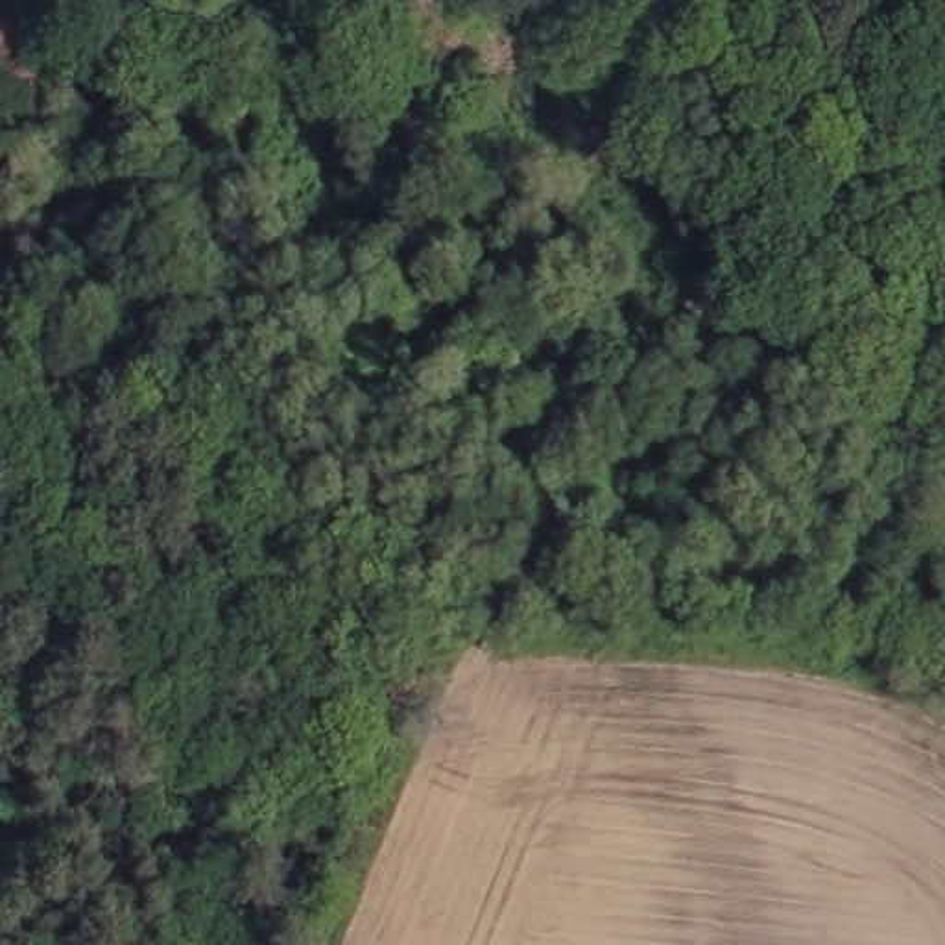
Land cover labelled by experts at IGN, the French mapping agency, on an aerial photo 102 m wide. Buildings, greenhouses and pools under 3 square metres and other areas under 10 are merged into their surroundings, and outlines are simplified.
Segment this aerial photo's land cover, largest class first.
<instances>
[{"label":"deciduous trees","instance_id":"1","mask_svg":"<svg viewBox=\"0 0 945 945\"><path fill-rule=\"evenodd\" d=\"M421 0H325V7L317 11L321 44L299 59H277V33L269 30V22H262L251 0H151V7H144L133 18L118 48V70L103 85V92L118 107L122 126L129 129L118 140L126 207L107 214L103 225L74 251L55 255L48 262H26L22 273L33 295L0 306V594H44L48 616L59 620H114L126 664L137 672L140 720H151L159 735L151 742L155 753H162L166 764L188 768L199 786L218 783L229 797L225 816L233 831L244 827L258 842L281 845L303 842L306 831L321 823L340 831L343 819L354 823L388 794L399 801L421 746L391 731L388 698L413 672L450 676L465 650H487L498 661L594 657L661 664L646 650L650 635L661 624L690 631H746L764 639L790 635L819 646L831 657H856V664L864 668L856 683L897 705H927L934 698L945 701V0H687L676 22L650 41L639 74L631 78L616 107L609 144L591 155L598 170L587 181V192L576 196L568 207L550 203V229H520L509 247H495L498 221L509 207L524 199V188L517 185L502 192L491 170L473 155L469 137L484 133L524 140L535 126L506 100V92L513 89V70H484L476 55L450 85L432 59H425L417 41ZM181 103H196L207 126L225 137L221 151L203 155L185 140L177 126ZM624 177H646L661 185L672 207L694 210L705 221L716 255L705 284L687 303L683 325L668 332V340L650 358L631 351L628 325L620 317V295H642L650 288L642 251L653 236V225L616 188ZM653 0H613L609 7H598L591 18L576 22V37L550 52L543 85L557 92L587 89L598 78H605V70L624 52L631 22ZM33 107V85L0 70V118ZM236 856L233 849L218 845L207 860H177L166 871L162 886L173 893V912L159 919V934L166 945H251L244 919L221 908L233 886Z\"/></svg>","mask_w":945,"mask_h":945},{"label":"agricultural land","instance_id":"2","mask_svg":"<svg viewBox=\"0 0 945 945\"><path fill-rule=\"evenodd\" d=\"M428 738L421 746L399 801L384 827V842L369 864L365 890L347 923L343 945H945V701L934 698L927 705H897L856 683L783 668H727L690 661L661 664L594 657L498 661L487 650H465L450 676L439 701L425 712Z\"/></svg>","mask_w":945,"mask_h":945},{"label":"coniferous trees","instance_id":"3","mask_svg":"<svg viewBox=\"0 0 945 945\"><path fill-rule=\"evenodd\" d=\"M144 7H151V0H0V70L33 85V107L0 118V306L33 295L22 273L26 262H48L55 255L74 251L103 225L107 214L126 207L118 140L129 129L122 126L118 107L103 92V85L118 70V48L133 18ZM262 22H269V30L277 33V59H299L321 44L317 11L325 7V0H251ZM613 0H421L417 41L425 59H432L450 85L476 55L484 70H513V89L506 92V100L535 126L524 140L484 133L469 137L473 155L491 170L502 192L517 185L524 188V199L509 207L498 221L495 247H509L520 229H550V203L568 207L576 196L587 192V181L598 170L591 155L609 144L616 107L631 78L639 74L650 41L676 22L687 0H653L631 22L624 52L605 70V78H598L587 89L557 92L543 85L550 52L576 37V22L591 18L598 7H609ZM177 126L185 140L203 155L221 151L225 137L207 126L196 103H181ZM616 188L653 225V236L642 251L650 288L642 295H620V317L628 325L631 351L650 358L668 340V332L683 325L687 303L705 284L716 255L705 221L694 210L672 207L661 185L646 177H624ZM159 735L151 720H140L137 672L126 664L114 620H59L48 616L44 594H0V945H166L159 934V919L173 912V893L162 886L166 871L177 860H207L218 845L233 849L236 856L233 886L221 908L244 919L251 945H306L314 915L321 912V856L329 853L340 831L321 823L306 831L303 842L281 845L258 842L244 827L233 831L225 816L229 797L218 783L199 786L188 768L166 764L162 753H155L151 742Z\"/></svg>","mask_w":945,"mask_h":945},{"label":"herbaceous vegetation","instance_id":"4","mask_svg":"<svg viewBox=\"0 0 945 945\"><path fill-rule=\"evenodd\" d=\"M646 650L661 664L690 661L727 668H783L856 683L864 668L856 664V657H831L819 646L790 635L764 639L746 631H690L661 624L650 635ZM450 676L413 672L388 698L391 731L421 746L428 738L425 712L439 701ZM399 801L388 794L354 823L343 819L340 831L329 853L321 856V912L314 915L306 945H343L347 923L365 890L369 864L384 842V827Z\"/></svg>","mask_w":945,"mask_h":945}]
</instances>
